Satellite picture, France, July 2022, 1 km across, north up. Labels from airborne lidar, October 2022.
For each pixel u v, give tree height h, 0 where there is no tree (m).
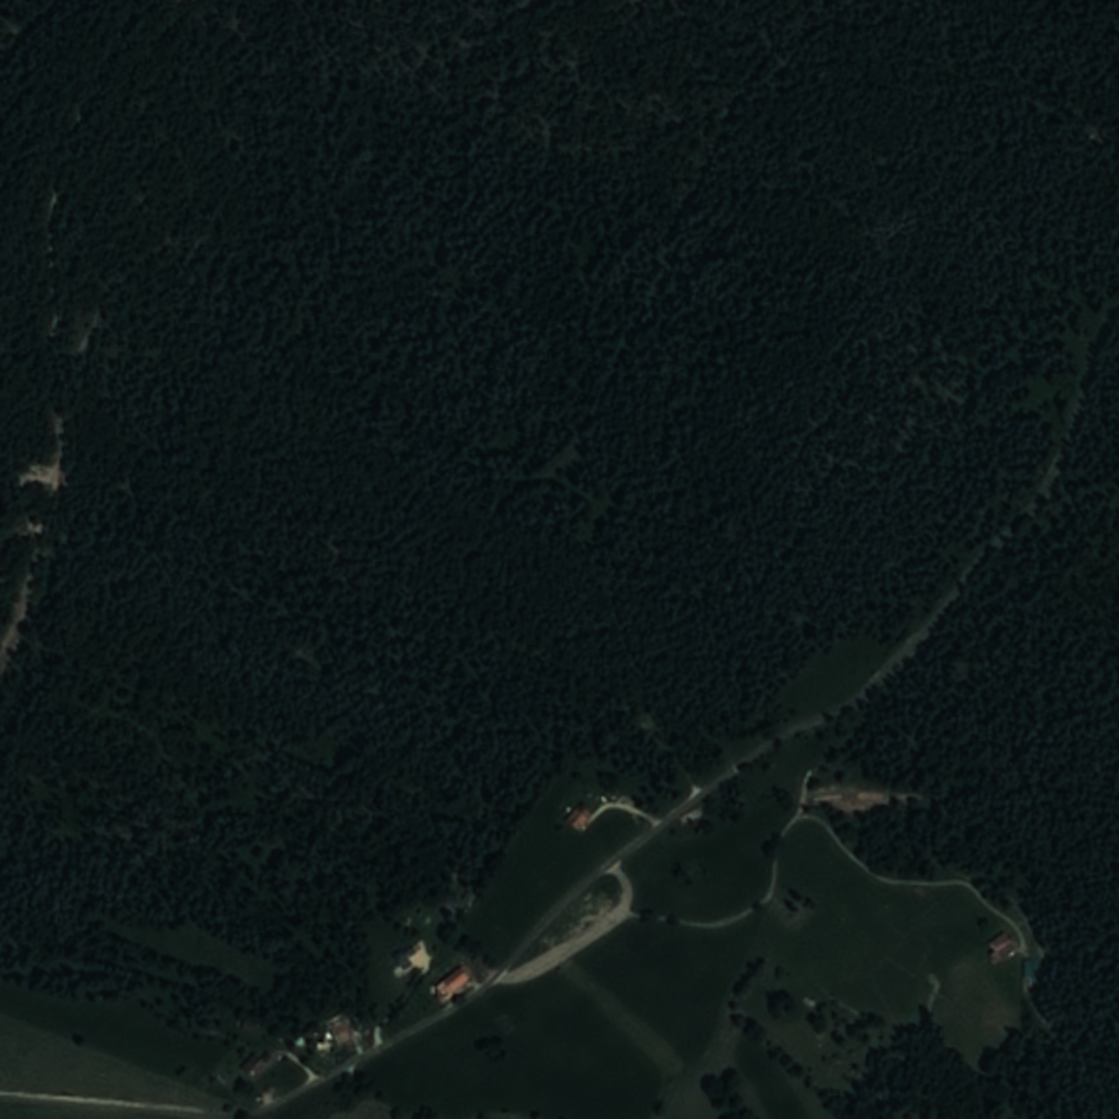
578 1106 0
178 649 24
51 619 27
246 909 27
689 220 28
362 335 26
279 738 32
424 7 26
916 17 23
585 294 12
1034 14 15
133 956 8
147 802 27
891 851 13
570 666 20
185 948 0
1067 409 26
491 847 20
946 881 0
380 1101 10
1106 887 20
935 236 23
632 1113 0
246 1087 18
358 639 25
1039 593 29
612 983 0
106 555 28
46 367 20
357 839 15
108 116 17
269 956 26
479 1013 0
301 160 11
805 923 0
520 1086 0
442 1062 0
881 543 24
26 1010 0
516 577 23
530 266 18
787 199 21
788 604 25
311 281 25
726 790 11
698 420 19
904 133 21
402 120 27
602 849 0
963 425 24
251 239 8
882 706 12
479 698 23
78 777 26
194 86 13
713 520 13
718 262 34
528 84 28
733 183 17
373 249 23
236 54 16
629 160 17
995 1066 20
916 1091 24
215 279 18
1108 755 17
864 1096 30
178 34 15
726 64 15
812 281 27
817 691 0
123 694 13
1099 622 7
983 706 10
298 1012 16
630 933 0
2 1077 0
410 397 12
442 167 29
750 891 0
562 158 20
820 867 0
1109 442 10
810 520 22
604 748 24
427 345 30
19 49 24
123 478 20
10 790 24
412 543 28
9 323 19
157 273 12
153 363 13
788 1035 0
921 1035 24
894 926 0
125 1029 0
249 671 28
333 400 19
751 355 17
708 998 0
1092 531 10
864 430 26
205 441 19
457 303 10
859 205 22
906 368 16
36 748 19
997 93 10
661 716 18
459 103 27
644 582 28
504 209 9
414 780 7
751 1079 0
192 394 22
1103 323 0
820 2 21
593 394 19
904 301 26
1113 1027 19
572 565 21
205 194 7
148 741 6
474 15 16
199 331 24
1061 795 22
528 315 14
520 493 18
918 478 21
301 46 16
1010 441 27
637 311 18
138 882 32
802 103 21
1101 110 18
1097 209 20
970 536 24
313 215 13
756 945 0
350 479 24
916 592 21
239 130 14
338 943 21
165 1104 0
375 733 28
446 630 12
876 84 24
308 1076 0
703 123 23
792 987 0
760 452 27
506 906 0
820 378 27
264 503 22
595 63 19
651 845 0
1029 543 19
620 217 16
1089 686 24
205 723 23
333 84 7
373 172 13
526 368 30
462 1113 0
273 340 27
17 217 23
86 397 10
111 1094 0
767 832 0
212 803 29
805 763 0
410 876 23
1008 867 12
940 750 23
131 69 13
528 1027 0
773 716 11
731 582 30
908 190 19
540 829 0
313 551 24
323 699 31
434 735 27
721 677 27
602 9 18
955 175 17
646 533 18
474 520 21
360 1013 12
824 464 22
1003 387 30
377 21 24
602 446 21
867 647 0
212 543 23
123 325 12
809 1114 0
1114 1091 22
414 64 31
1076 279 27
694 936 0
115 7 18
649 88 16
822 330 23
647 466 21
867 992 0
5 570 11
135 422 19
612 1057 0
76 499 19
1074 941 22
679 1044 0
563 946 0
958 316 26
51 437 13
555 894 0
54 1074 0
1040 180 23
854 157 24
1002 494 18
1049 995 21
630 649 24
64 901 8
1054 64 23
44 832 19
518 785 27
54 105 23
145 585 22
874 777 15
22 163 20
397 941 0
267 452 16
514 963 0
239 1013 13
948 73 6
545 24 21
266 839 20
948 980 0
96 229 11
